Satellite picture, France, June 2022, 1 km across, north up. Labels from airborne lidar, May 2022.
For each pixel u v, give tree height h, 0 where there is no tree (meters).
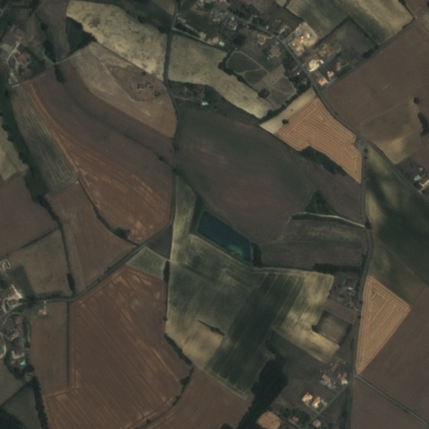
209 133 0
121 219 0
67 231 0
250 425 14
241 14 9
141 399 0
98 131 0
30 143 0
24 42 0
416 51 0
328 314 0
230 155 0
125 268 0
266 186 0
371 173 0
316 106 0
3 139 0
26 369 11
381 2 0
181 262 0
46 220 0
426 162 0
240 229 0
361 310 0
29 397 0
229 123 0
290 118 0
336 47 0
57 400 0
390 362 0
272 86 0
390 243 0
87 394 0
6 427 16
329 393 0
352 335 0
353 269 5
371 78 0
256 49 0
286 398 0
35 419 0
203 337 0
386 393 0
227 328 0
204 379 0
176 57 0
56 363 0
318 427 6
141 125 0
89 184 0
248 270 0
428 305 0
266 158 0
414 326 0
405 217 0
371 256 0
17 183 0
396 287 0
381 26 0
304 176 0
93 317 0
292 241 0
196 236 0
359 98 0
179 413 0
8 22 7
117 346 0
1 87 0
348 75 0
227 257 0
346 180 0
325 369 0
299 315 0
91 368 0
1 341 0
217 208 0
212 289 0
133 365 0
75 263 0
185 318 0
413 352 0
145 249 0
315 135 0
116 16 0
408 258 0
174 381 0
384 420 0
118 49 0
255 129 0
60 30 0
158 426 0
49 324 0
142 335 0
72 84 0
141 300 0
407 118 0
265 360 0
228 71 15
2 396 0
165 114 0
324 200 9
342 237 0
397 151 0
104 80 0
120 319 0
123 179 0
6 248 0
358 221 0
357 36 0
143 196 0
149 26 0
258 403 9
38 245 0
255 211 0
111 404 0
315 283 0
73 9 0
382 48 0
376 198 0
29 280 0
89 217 0
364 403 0
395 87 0
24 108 0
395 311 0
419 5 0
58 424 0
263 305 0
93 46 0
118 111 0
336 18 0
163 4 0
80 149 0
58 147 0
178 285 0
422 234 0
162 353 0
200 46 0
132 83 0
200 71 0
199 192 0
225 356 0
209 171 0
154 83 0
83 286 0
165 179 0
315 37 0
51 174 0
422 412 0
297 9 0
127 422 0
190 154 0
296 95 10
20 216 0
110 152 0
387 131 0
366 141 0
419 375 0
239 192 0
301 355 0
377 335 0
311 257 0
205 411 0
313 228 0
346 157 0
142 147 0
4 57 0
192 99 0
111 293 0
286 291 0
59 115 0
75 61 0
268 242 0
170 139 0
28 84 0
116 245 0
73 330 0
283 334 0
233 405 0
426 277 0
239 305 0
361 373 0
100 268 0
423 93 0
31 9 6
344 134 0
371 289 0
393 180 0
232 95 0
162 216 0
